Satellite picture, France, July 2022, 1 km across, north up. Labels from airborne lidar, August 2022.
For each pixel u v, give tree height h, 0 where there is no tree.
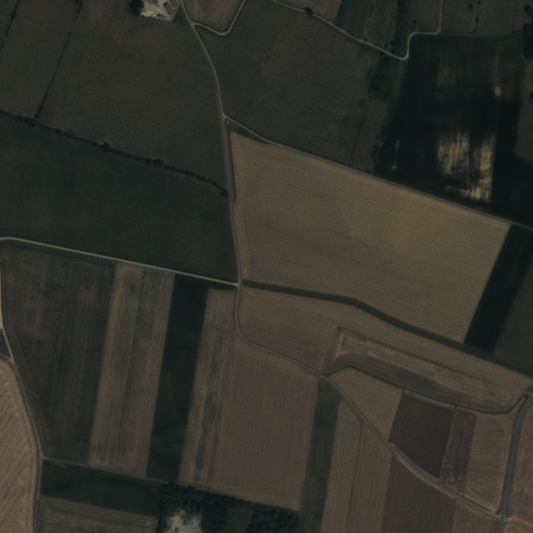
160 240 0
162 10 0
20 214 0
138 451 0
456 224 0
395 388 0
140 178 0
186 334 0
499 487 0
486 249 0
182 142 0
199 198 0
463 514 0
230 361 0
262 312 0
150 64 0
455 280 0
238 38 0
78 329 0
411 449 0
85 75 0
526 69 0
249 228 0
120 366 0
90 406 0
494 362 0
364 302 0
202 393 0
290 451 0
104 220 0
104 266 0
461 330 0
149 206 0
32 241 0
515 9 0
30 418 0
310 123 0
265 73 0
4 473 0
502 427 0
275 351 0
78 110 0
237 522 0
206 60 0
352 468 0
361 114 0
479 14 0
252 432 0
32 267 0
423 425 0
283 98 0
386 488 0
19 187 0
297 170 0
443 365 0
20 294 0
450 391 0
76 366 0
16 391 0
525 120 0
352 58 0
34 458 0
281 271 0
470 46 0
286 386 0
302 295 0
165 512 16
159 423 0
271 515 13
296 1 0
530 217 0
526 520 0
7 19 0
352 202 0
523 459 0
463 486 0
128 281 0
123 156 6
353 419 0
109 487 0
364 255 0
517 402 0
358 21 0
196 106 0
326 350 0
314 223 0
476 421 0
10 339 0
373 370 0
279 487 0
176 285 0
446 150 0
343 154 0
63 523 0
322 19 0
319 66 0
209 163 0
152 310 0
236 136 0
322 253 0
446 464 0
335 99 0
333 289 0
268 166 0
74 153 0
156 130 0
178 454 0
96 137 0
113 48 0
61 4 0
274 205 0
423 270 0
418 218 0
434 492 0
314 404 0
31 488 0
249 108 0
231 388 0
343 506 0
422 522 0
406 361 0
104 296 0
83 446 0
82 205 0
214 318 0
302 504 0
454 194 0
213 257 0
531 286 0
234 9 0
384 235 0
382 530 0
